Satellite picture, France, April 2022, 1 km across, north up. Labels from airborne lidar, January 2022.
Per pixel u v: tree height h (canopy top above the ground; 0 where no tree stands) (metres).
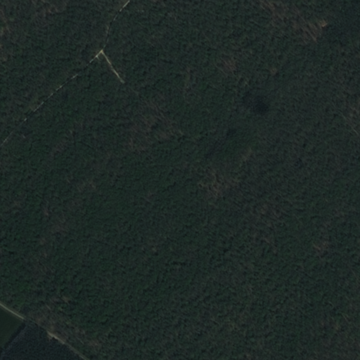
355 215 22
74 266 26
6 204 23
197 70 27
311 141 24
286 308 23
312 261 24
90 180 25
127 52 27
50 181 19
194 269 21
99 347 27
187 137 23
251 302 21
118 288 24
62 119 23
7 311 0
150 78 27
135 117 26
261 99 25
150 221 25
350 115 23
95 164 22
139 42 27
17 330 0
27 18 24
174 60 25
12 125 20
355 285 23
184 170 26
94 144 27
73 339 25
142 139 23
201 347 23
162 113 24
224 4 25
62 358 28
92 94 23
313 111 23
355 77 24
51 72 19
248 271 24
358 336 25
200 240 24
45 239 23
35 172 22
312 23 29
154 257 22
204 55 24
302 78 24
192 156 26
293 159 23
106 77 20
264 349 24
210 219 23
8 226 22
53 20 24
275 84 25
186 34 25
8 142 22
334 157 22
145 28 26
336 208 23
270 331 26
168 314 22
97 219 22
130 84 25
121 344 26
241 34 14
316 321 25
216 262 22
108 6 19
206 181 24
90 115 20
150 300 25
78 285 27
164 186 24
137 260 23
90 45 20
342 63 24
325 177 22
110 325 23
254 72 25
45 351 26
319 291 24
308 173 22
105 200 19
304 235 21
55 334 0
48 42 24
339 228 21
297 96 25
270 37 23
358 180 25
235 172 27
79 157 22
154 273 22
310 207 21
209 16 22
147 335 23
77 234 21
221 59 23
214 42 21
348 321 19
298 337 19
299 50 27
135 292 23
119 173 21
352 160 24
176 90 24
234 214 24
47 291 29
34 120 22
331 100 21
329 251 24
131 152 23
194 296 25
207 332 24
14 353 27
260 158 26
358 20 27
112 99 25
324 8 20
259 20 26
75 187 24
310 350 25
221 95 26
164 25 23
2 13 24
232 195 24
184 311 22
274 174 25
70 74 22
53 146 23
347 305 24
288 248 25
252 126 27
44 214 24
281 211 23
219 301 21
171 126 30
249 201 27
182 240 24
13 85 20
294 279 25
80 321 28
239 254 21
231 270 25
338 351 24
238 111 24
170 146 26
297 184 21
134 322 25
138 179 21
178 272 26
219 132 23
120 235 22
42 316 27
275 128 23
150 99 20
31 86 22
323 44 24
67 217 20
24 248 22
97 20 21
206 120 27
